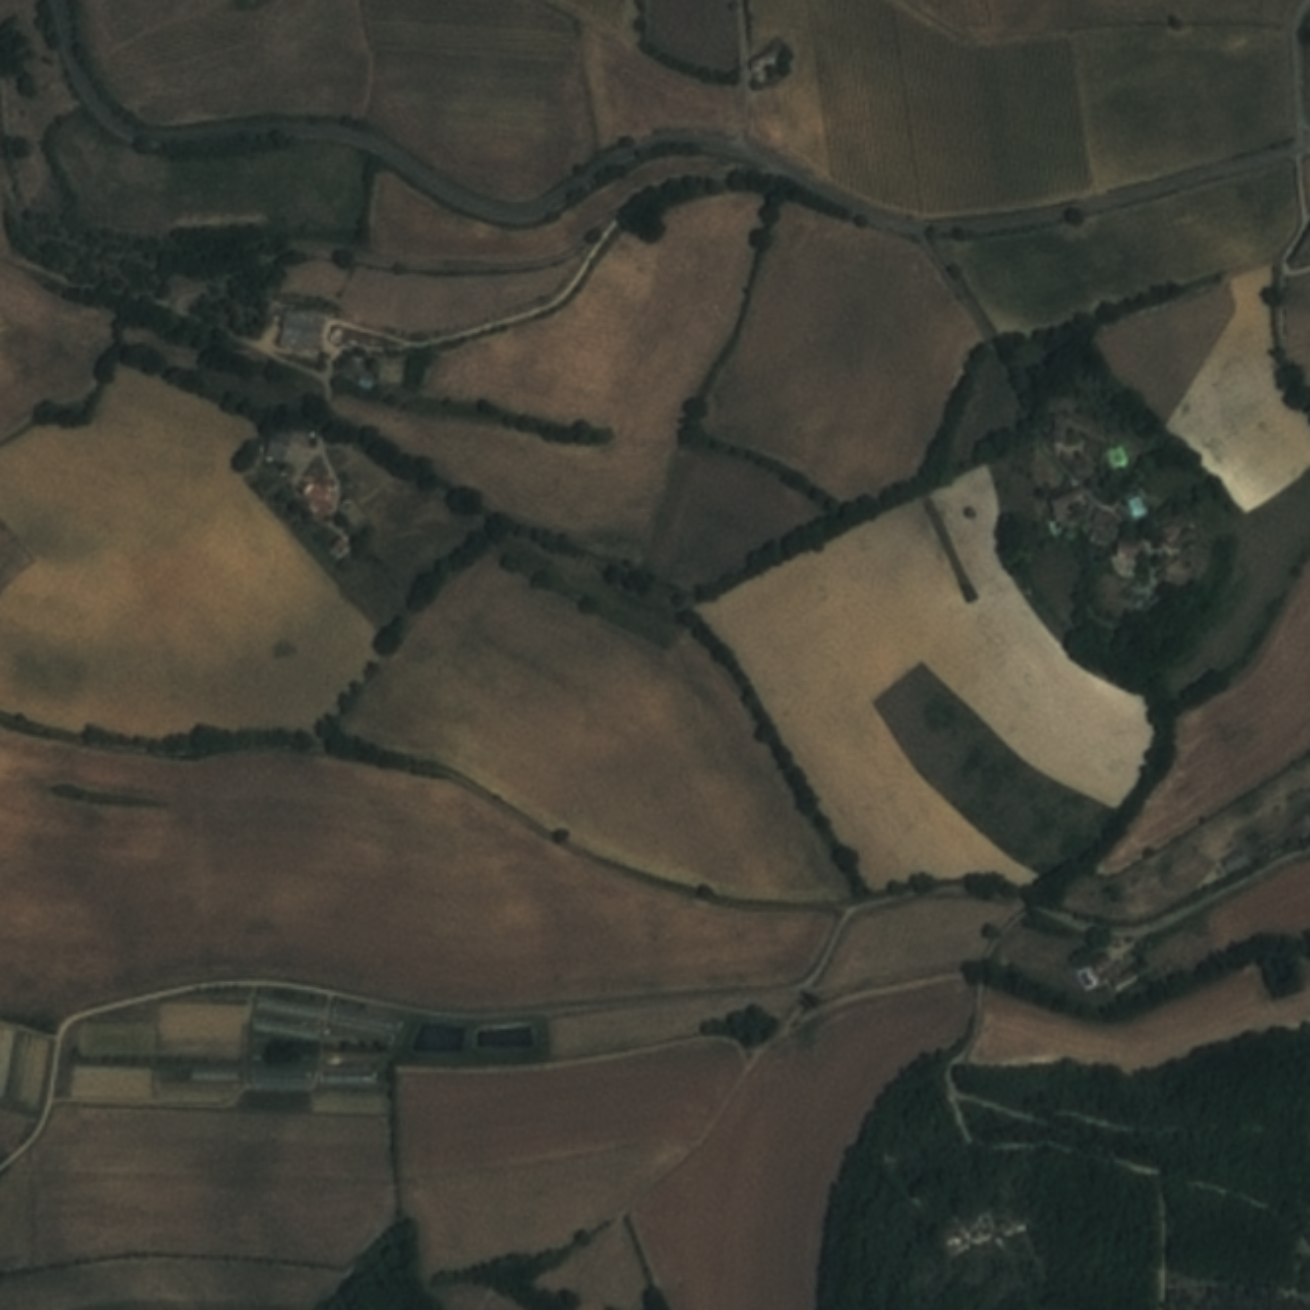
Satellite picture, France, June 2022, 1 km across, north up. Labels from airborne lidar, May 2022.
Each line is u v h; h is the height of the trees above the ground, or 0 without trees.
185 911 0
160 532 0
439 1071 0
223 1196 0
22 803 0
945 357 0
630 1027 0
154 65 0
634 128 0
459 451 0
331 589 0
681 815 0
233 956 0
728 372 0
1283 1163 10
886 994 0
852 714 0
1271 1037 13
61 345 0
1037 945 0
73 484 0
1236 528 0
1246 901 0
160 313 9
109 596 0
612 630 0
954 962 0
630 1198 0
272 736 15
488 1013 0
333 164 0
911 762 0
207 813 0
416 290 0
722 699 0
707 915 0
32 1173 0
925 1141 7
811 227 0
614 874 0
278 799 0
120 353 7
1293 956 7
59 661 0
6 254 0
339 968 0
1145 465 12
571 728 0
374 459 12
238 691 0
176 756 12
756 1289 0
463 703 0
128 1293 0
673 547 0
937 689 0
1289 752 0
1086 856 9
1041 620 0
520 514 0
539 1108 0
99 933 0
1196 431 0
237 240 14
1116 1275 8
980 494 0
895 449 0
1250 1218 10
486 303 0
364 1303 17
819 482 0
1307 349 0
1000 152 0
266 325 9
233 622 0
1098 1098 7
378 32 0
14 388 0
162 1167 0
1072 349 16
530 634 0
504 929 0
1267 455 0
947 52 0
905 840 0
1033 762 0
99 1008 0
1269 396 0
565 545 13
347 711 14
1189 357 0
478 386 0
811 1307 0
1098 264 0
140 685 0
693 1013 0
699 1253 0
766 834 0
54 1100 0
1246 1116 6
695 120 0
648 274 0
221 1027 0
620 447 0
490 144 0
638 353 0
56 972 0
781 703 0
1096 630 12
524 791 0
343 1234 0
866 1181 11
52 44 11
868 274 0
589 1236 11
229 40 0
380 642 12
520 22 0
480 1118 0
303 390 0
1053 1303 11
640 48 6
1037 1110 9
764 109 0
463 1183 0
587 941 0
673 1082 0
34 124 0
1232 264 0
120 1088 0
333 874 0
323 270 0
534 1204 0
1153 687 16
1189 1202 6
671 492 0
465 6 0
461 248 0
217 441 0
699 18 0
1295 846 6
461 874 0
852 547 0
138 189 0
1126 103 0
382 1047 15
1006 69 0
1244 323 0
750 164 0
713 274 0
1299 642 0
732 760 0
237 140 9
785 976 0
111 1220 0
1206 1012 0
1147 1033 0
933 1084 7
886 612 0
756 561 14
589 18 0
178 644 0
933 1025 0
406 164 0
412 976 0
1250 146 0
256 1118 0
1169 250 0
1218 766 0
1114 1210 8
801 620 0
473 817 0
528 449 0
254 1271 0
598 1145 0
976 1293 6
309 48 0
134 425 0
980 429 0
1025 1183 7
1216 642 0
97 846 0
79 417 10
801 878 0
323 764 0
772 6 0
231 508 0
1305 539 0
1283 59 0
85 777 0
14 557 0
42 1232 0
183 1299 0
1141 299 10
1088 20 0
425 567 0
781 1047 0
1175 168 0
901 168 0
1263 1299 13
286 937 0
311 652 0
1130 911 0
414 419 0
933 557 0
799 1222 0
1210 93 0
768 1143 0
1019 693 0
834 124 0
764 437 0
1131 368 0
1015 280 0
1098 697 0
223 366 22
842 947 0
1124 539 11
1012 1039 0
